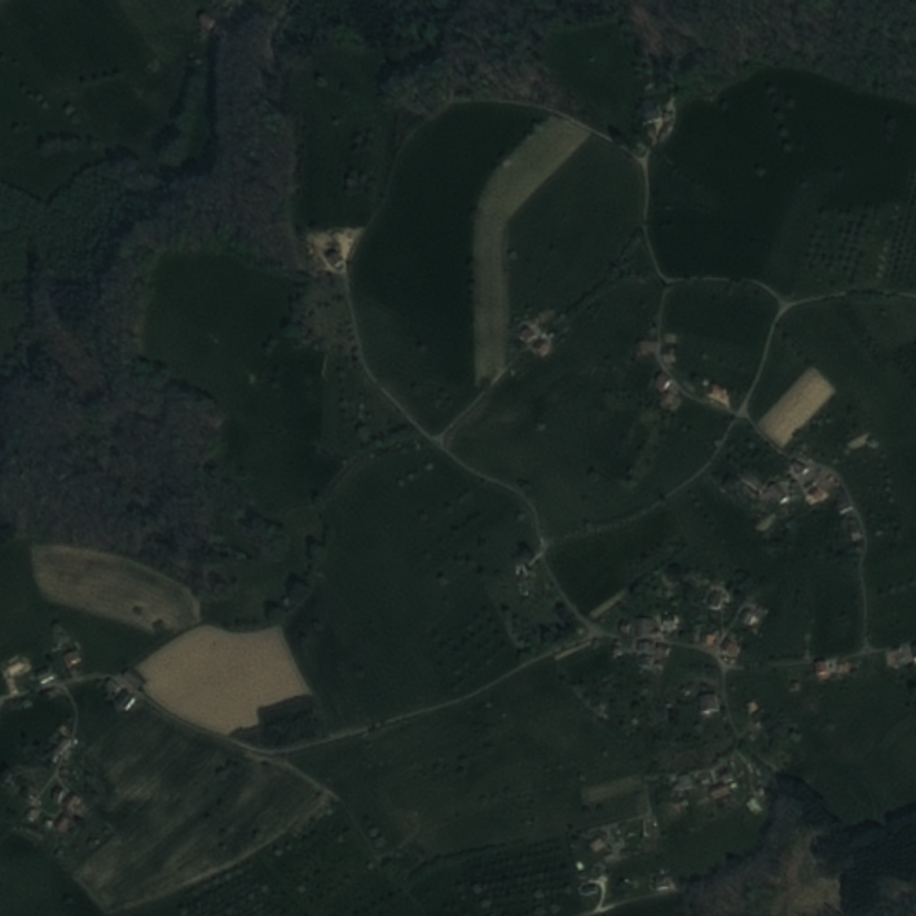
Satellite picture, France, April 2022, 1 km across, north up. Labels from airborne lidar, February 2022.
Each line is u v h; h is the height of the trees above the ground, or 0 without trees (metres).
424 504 0
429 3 20
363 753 0
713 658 0
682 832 0
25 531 31
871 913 24
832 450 0
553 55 0
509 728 0
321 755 0
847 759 0
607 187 0
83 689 0
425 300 0
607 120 0
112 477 27
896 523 7
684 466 0
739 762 0
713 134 0
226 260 0
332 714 0
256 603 0
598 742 0
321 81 11
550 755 0
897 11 31
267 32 28
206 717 0
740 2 28
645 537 0
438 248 0
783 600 0
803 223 0
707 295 0
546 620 0
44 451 35
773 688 0
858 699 0
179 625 0
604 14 12
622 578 0
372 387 0
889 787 0
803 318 0
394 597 0
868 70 30
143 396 31
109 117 0
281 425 0
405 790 0
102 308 26
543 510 0
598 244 0
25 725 0
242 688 0
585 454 0
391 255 0
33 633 0
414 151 0
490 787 0
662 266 0
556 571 0
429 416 0
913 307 0
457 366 0
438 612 0
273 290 0
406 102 32
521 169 0
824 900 0
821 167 0
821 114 0
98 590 0
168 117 0
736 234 0
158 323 0
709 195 0
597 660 0
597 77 0
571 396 0
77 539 29
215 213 33
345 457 0
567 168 0
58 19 0
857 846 27
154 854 0
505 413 0
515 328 11
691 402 0
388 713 0
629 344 0
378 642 0
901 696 0
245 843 0
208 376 0
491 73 28
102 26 0
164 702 0
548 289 0
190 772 0
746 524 0
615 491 0
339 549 0
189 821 0
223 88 24
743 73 20
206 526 32
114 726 0
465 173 0
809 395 0
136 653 0
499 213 0
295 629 0
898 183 0
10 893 0
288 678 0
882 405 0
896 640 0
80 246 11
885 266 0
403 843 0
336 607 0
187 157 24
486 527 0
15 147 0
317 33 19
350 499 0
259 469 0
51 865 0
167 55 0
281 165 36
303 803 0
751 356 0
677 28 31
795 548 0
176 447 35
